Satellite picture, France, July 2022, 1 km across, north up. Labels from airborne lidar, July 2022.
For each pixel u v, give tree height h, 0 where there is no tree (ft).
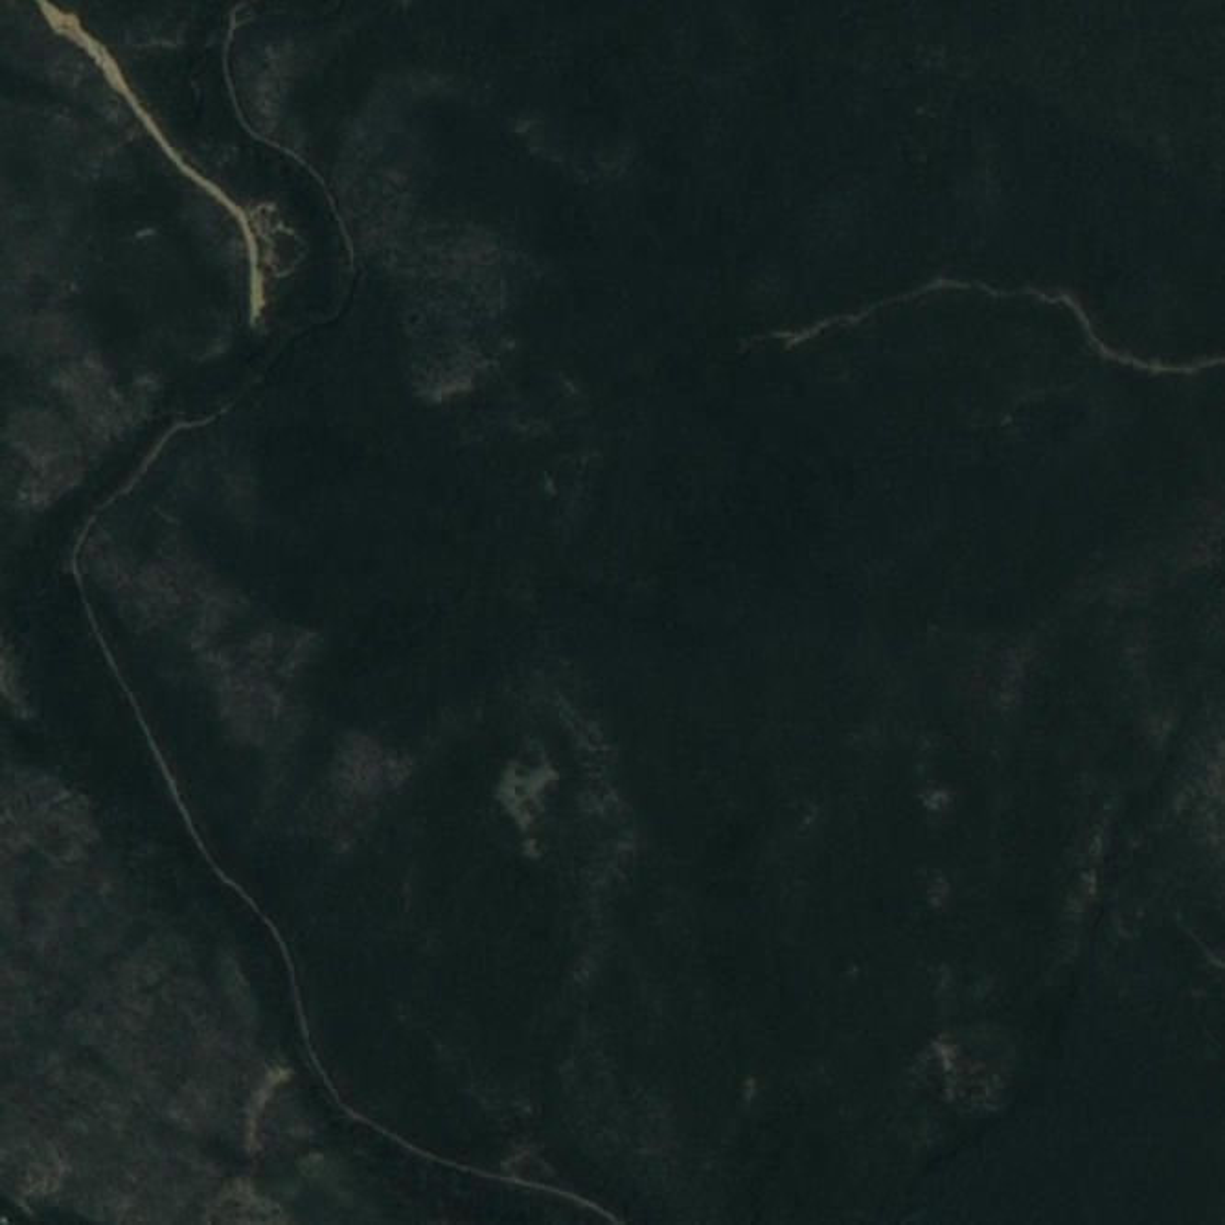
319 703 23
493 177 17
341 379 23
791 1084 25
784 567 23
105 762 18
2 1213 21
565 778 21
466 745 21
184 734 18
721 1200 22
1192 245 17
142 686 20
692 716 18
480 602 21
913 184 28
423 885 22
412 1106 21
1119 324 18
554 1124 19
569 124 19
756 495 25
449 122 22
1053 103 19
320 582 18
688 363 23
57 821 0
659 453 19
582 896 20
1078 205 30
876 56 30
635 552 22
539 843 21
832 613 19
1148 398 21
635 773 18
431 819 20
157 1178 0
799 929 19
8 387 18
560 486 23
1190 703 18
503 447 24
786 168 20
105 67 0
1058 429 27
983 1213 18
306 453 26
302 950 22
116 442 20
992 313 17
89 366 0
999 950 20
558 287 27
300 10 28
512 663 19
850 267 18
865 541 19
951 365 19
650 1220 28
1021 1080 24
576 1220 25
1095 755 17
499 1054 18
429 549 18
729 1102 22
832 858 19
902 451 22
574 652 20
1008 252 17
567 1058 19
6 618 24
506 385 21
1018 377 21
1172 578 18
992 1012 19
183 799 20
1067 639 18
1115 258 18
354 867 18
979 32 21
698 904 19
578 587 30
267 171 29
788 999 19
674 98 29
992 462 25
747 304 20
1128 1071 18
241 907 19
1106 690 17
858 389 19
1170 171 21
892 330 18
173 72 29
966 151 21
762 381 24
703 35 20
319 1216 0
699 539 32
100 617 19
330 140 17
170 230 27
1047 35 19
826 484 29
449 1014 18
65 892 0
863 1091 20
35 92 18
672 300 24
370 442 28
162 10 23
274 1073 0
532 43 20
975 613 19
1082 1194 18
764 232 24
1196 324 18
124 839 17
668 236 19
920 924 18
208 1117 0
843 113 20
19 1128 0
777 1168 29
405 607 18
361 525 23
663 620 28
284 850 18
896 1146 20
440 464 27
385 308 21
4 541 19
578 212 25
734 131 24
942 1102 20
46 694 24
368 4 22
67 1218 18
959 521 20
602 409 20
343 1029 26
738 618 22
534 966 25
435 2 31
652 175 25
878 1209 44
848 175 19
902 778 17
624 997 17
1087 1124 24
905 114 23
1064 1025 21
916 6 26
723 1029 23
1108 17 22
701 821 20
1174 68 17
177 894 20
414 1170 42
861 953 20
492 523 17
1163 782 20
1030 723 20
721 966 20
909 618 20
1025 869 18
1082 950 18
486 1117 27
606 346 21
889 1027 18
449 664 23
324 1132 17
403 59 22
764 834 18
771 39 24
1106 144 31
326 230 23
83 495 27
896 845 18
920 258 17
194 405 27
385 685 22
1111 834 19
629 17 25
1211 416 18
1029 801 17
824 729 19
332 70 18
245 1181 0
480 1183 23
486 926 21
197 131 24
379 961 18
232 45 18
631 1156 17
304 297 26
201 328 20
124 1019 0
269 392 23
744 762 25
